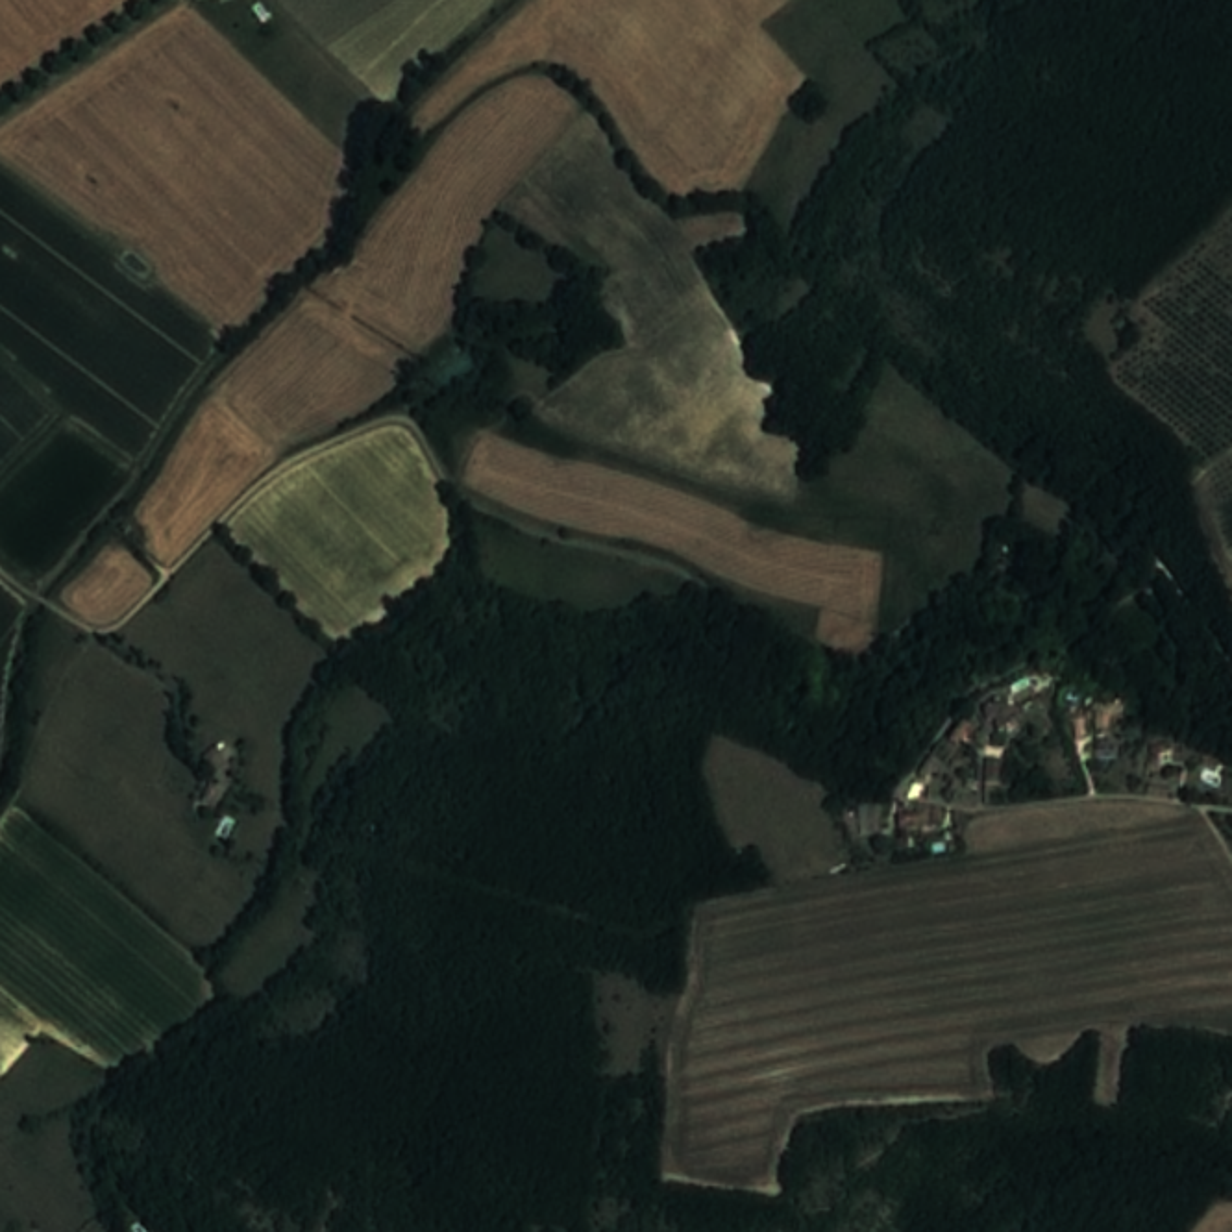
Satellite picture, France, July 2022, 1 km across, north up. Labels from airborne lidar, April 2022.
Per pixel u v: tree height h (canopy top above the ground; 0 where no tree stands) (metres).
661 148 0
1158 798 0
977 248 9
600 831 10
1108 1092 0
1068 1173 15
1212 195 10
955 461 0
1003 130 11
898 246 7
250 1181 10
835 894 0
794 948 0
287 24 0
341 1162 14
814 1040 0
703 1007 0
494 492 0
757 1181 0
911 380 7
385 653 12
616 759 10
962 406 17
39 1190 0
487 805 11
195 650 0
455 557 10
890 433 0
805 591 0
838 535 0
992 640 21
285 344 0
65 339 0
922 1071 0
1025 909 0
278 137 0
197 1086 14
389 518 0
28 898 0
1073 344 6
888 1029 0
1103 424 9
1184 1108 8
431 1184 13
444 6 0
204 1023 11
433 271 0
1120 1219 15
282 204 0
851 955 0
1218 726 9
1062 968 0
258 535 0
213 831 0
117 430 0
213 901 0
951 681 17
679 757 7
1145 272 9
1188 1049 10
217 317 0
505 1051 10
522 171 0
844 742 18
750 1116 0
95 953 0
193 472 0
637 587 0
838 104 0
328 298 0
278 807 0
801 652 16
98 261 0
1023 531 15
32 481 0
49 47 0
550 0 0
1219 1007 0
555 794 9
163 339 0
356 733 0
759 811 0
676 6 0
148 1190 13
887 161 6
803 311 9
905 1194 8
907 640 12
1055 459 25
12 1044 0
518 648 14
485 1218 12
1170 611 21
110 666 0
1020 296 8
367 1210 9
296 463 0
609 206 0
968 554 0
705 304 0
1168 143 11
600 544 0
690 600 11
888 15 0
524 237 12
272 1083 14
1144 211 12
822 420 21
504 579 0
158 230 0
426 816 8
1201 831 0
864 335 11
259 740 0
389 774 9
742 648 25
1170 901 0
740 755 0
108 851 0
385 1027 16
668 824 14
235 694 0
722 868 8
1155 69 14
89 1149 7
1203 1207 10
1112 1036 0
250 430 0
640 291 0
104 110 0
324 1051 15
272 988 13
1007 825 0
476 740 9
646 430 0
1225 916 0
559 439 0
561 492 0
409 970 10
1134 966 0
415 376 21
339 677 15
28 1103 0
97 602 0
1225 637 17
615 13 0
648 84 0
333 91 0
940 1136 9
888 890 0
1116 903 0
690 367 0
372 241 0
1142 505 21
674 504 0
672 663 14
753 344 15
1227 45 15
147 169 0
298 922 0
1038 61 10
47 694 0
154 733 0
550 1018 10
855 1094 0
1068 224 13
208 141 0
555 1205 13
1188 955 0
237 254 0
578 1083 13
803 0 0
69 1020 0
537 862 13
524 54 0
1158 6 19
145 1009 0
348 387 0
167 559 0
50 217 0
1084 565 7
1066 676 10
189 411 0
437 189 0
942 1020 0
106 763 0
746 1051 0
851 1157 8
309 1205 6
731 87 0
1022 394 13
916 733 12
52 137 0
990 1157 9
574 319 20
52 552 0
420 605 16
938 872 0
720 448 0
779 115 0
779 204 0
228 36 0
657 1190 12
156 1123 9
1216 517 0
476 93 0
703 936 0
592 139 0
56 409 0
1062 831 0
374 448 0
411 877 7
